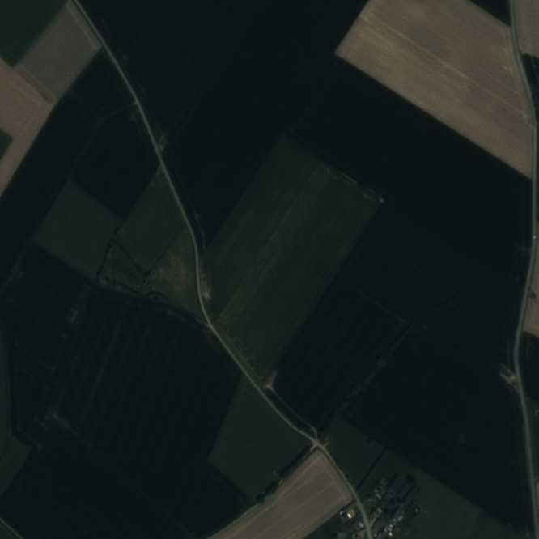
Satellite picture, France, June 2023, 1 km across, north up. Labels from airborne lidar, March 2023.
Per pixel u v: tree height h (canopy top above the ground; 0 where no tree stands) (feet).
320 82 0
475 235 0
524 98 0
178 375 0
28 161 0
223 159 0
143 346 0
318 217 0
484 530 0
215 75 0
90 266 0
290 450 0
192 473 0
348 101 0
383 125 0
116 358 0
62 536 0
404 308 0
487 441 0
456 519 0
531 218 0
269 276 0
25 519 0
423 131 0
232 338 0
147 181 0
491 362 0
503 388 0
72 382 0
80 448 0
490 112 0
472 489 0
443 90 0
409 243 0
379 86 0
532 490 0
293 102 0
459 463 0
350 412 0
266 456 0
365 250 0
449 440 0
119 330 0
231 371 0
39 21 0
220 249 0
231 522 0
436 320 0
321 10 0
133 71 0
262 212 0
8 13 0
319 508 0
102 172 0
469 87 0
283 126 0
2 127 0
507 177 0
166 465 0
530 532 0
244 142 0
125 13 0
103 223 0
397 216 0
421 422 0
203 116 0
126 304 0
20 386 0
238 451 0
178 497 0
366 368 0
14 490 0
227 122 0
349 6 0
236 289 0
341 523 0
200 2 0
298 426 21
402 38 0
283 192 0
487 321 0
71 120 0
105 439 0
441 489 0
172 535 0
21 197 0
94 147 0
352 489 0
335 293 0
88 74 0
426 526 0
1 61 0
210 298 0
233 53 0
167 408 0
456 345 0
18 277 0
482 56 0
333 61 0
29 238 0
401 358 0
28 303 0
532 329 0
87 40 0
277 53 0
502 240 0
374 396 0
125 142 0
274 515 0
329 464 0
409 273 0
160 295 22
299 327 0
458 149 0
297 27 0
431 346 0
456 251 0
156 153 0
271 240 0
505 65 0
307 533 0
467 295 0
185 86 0
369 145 0
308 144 0
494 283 0
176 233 0
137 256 0
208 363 0
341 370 0
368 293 0
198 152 0
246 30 0
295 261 0
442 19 0
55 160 0
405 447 0
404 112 0
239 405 0
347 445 0
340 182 0
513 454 0
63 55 0
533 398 0
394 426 0
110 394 0
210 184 0
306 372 0
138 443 0
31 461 0
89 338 0
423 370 0
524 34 0
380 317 0
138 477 0
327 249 0
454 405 0
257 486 0
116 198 0
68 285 0
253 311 0
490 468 0
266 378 0
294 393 0
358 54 0
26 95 0
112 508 0
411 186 0
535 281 0
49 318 0
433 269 0
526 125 0
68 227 0
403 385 0
